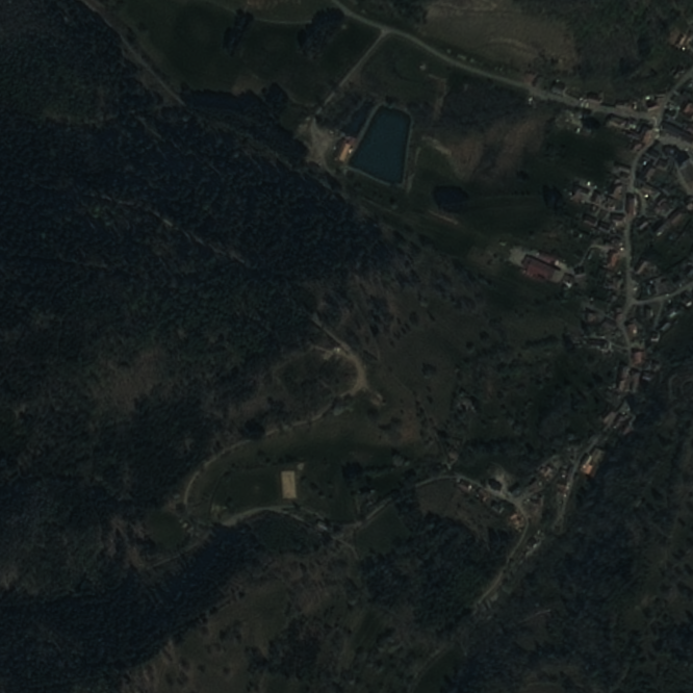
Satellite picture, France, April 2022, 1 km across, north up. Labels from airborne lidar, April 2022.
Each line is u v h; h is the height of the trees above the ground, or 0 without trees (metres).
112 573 32
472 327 0
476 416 18
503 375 19
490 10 0
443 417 0
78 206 31
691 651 18
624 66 16
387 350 0
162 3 0
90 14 29
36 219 33
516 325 0
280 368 0
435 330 0
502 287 0
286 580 12
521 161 0
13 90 25
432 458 11
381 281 25
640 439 9
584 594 8
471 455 29
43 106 28
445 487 0
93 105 24
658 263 8
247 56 0
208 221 11
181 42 0
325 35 25
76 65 24
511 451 23
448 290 19
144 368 16
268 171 27
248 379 26
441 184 0
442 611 21
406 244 23
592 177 0
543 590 17
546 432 17
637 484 7
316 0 0
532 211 0
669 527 14
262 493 0
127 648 27
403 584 24
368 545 0
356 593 22
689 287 0
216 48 0
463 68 0
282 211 18
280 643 19
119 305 15
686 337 0
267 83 0
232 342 23
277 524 9
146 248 12
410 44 0
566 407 21
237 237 37
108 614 21
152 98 26
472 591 25
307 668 14
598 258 0
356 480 23
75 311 15
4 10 26
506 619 21
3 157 28
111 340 20
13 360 23
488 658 20
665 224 0
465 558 24
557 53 0
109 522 29
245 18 20
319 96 0
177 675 0
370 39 0
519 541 14
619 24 13
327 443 0
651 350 7
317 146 0
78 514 21
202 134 23
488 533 0
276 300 29
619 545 20
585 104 0
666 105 0
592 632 22
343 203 6
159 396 19
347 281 31
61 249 34
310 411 8
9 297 9
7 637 32
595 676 29
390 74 0
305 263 20
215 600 18
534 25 0
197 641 0
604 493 12
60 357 16
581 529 21
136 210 10
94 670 24
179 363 19
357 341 19
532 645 0
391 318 23
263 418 8
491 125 16
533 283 0
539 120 0
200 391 24
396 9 14
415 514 11
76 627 27
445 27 0
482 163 0
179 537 0
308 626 9
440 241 0
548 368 6
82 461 30
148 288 29
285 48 0
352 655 0
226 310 23
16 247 37
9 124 38
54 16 27
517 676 18
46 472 23
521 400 0
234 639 14
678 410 0
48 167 35
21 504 27
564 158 6
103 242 34
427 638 19
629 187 0
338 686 19
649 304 0
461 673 21
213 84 0
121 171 6
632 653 8
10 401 24
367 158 0
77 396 21
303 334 26
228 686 0
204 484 0
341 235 33
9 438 12
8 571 26
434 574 15
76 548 24
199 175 19
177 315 23
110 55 13
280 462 7
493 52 0
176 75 0
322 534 8
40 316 15
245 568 18
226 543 31
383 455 0
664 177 0
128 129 36
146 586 27
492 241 0
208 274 24
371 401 0
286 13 0
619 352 0
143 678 22
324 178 12
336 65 0
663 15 29
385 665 13
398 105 15
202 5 0
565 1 11
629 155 0
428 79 0
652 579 0
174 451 28
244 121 27
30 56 22
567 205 6
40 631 33
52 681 28
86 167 27
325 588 19
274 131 30
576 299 6
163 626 23
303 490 0
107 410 17
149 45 0
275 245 23
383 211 0
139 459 27
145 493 31
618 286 0
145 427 33
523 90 0
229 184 35
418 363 0
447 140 0
